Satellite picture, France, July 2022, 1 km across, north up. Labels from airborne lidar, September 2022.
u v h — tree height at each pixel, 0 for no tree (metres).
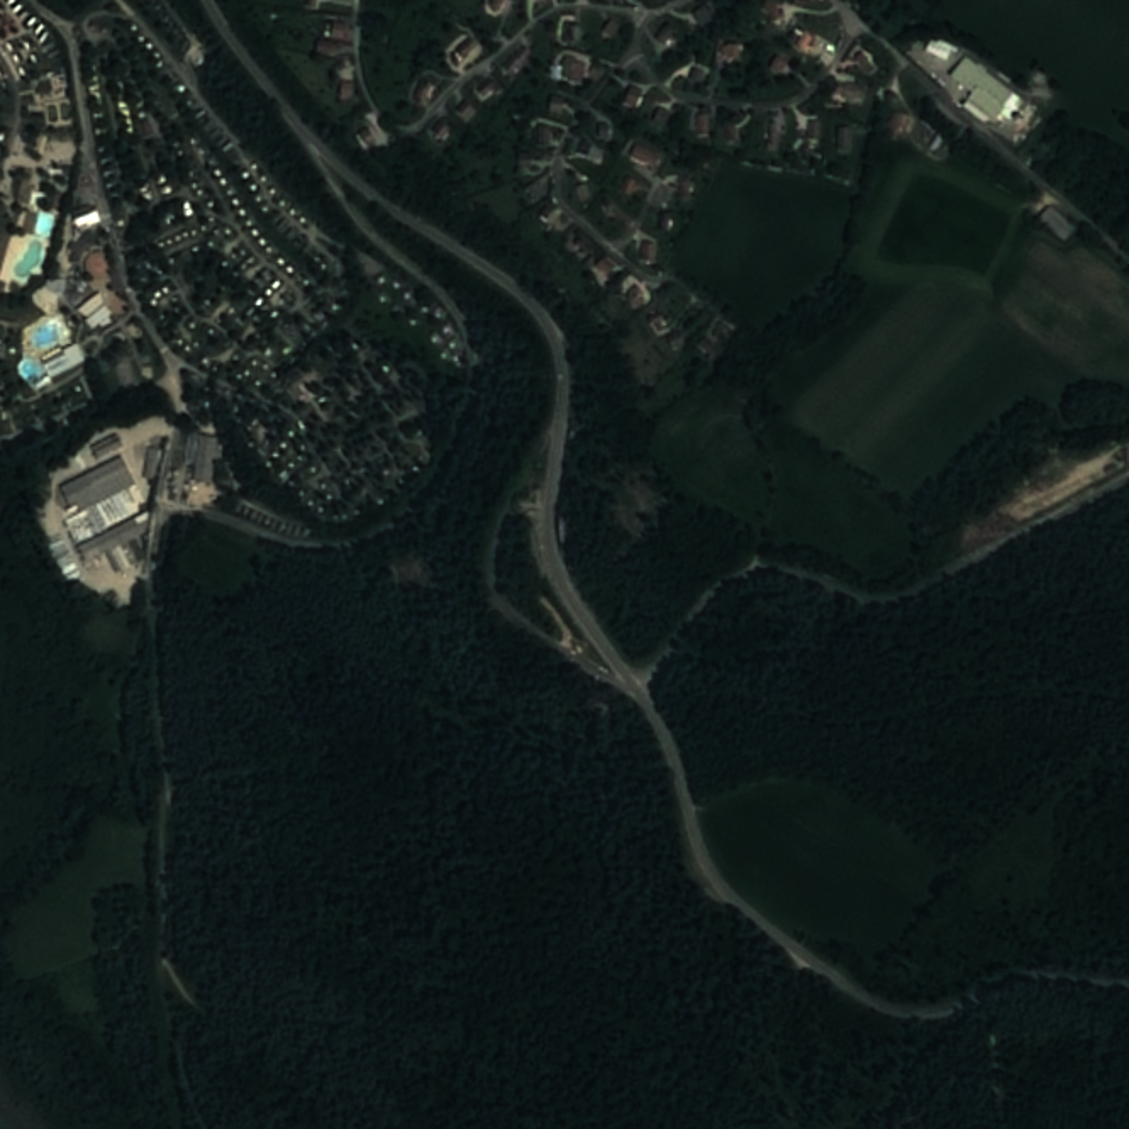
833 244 0
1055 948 11
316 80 0
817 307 19
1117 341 0
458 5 0
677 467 0
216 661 16
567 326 14
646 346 0
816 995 6
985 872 0
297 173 7
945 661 7
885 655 20
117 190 8
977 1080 27
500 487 10
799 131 0
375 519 9
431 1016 24
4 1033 8
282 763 18
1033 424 20
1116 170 10
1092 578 18
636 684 0
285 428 20
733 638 11
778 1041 8
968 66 0
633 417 20
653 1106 8
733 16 15
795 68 17
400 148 7
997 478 21
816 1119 25
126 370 0
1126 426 13
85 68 12
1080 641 15
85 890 0
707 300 12
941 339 0
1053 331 0
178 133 12
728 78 15
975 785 14
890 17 15
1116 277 0
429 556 27
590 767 25
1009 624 11
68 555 0
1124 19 0
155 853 18
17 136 0
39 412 10
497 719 7
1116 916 7
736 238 0
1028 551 19
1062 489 0
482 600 13
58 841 20
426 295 19
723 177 0
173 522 9
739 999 14
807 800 0
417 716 30
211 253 8
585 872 27
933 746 13
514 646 14
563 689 21
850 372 0
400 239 10
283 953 18
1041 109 0
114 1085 9
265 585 19
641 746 21
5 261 0
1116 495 9
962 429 0
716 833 0
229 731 24
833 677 19
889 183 0
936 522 18
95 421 16
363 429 15
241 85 13
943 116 9
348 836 19
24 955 0
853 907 0
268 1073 10
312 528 20
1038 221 9
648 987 8
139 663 12
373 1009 17
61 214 14
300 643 23
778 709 15
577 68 0
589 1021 13
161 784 15
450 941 18
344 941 18
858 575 16
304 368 14
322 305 13
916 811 12
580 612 0
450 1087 7
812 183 0
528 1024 6
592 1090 19
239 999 17
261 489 19
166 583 14
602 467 14
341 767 21
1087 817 14
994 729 7
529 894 8
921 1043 21
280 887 19
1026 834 0
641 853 19
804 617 29
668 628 20
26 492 8
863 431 0
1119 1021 21
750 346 11
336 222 7
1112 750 28
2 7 11
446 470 20
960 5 0
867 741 21
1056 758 15
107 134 11
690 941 22
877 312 0
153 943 0
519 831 23
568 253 6
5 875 6
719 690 25
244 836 21
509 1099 15
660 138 8
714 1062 13
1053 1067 12
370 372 14
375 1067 21
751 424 16
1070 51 0
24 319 0
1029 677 16
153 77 14
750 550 17
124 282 0
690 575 12
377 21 23
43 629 6
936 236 0
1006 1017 28
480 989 11
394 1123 21
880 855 0
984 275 0
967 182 0
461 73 0
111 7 11
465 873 23
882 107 14
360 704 31
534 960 8
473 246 17
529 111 17
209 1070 23
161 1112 20
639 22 0
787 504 0
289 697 21
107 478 0
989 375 0
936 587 10
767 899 0
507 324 17
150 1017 19
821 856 0
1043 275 0
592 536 16
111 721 0
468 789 19
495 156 9
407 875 14
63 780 7
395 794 20
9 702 6
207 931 17
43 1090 9
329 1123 12
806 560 13
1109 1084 23
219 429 15
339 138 18
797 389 0
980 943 6
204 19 12
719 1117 20
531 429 10
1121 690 9
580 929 17
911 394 0
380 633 22
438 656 26
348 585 24
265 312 11
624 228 0
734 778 15
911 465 0
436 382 19
